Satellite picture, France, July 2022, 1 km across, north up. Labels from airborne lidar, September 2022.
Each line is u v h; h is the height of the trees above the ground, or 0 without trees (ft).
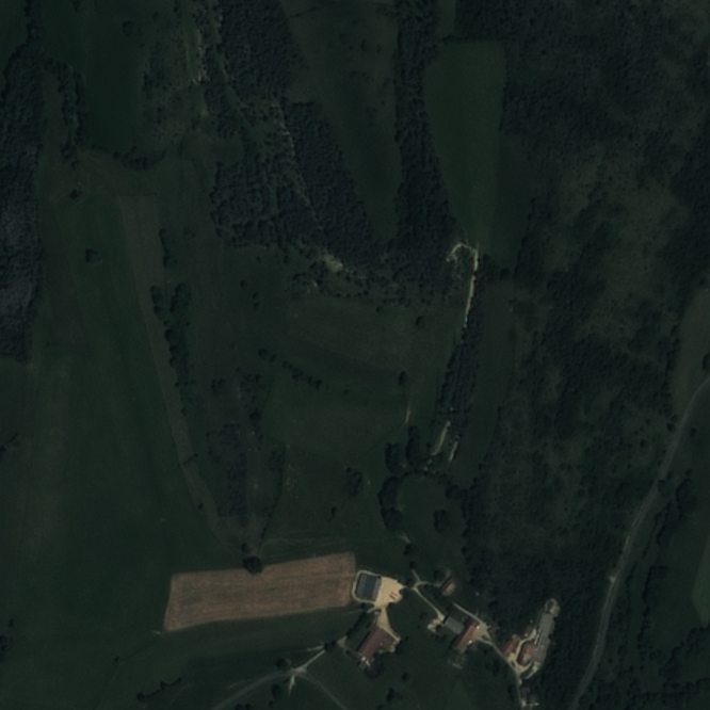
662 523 34
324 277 37
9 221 69
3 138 77
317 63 0
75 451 0
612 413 20
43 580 0
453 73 0
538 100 54
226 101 27
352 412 0
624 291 0
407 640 24
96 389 0
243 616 0
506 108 22
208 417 0
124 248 0
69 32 0
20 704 0
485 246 0
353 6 0
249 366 0
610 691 43
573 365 27
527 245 46
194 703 0
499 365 0
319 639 0
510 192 0
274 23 53
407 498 0
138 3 0
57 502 0
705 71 40
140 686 0
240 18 60
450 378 45
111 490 0
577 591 38
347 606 0
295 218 62
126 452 0
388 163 0
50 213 0
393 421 0
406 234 35
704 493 0
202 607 0
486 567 30
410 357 0
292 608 0
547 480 27
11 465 0
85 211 0
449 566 0
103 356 0
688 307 25
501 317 0
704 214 46
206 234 0
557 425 27
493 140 0
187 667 0
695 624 0
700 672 0
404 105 37
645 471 22
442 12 61
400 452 25
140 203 0
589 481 34
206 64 25
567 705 40
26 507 0
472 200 0
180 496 0
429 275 46
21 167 60
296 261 0
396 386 0
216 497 0
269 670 0
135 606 0
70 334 0
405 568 0
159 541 0
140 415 0
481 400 0
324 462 0
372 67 0
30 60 55
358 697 0
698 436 57
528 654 0
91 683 0
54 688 0
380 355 0
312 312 0
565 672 52
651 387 19
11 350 34
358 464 0
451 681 0
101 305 0
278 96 39
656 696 51
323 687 0
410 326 0
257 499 0
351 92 0
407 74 66
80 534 0
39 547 0
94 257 70
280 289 0
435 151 58
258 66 31
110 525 0
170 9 0
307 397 0
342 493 0
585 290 50
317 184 39
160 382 0
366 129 0
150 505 0
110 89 0
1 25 0
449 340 0
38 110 64
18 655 0
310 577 0
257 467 0
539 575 47
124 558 0
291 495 0
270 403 0
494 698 0
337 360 0
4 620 0
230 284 0
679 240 25
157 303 40
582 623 53
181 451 0
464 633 0
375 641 0
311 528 0
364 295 37
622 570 0
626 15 49
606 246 19
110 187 0
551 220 34
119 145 0
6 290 72
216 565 0
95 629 0
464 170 0
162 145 0
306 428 0
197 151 0
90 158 0
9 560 0
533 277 41
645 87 33
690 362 0
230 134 30
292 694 0
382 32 0
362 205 50
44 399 0
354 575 0
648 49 25
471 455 0
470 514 44
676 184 21
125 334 0
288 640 0
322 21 0
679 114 29
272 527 0
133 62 0
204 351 0
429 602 0
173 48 0
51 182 0
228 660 0
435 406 0
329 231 51
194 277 0
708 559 0
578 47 21
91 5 0
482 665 0
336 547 0
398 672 0
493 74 0
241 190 40
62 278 0
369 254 50
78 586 0
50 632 0
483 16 62
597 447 29
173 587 0
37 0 51
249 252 0
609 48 35
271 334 0
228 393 0
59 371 0
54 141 0
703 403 0
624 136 28
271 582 0
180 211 0
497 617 34
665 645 0
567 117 34
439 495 0
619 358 37
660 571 45
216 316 0
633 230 0
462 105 0
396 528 66
